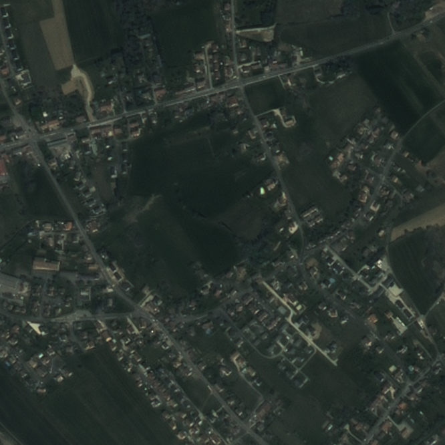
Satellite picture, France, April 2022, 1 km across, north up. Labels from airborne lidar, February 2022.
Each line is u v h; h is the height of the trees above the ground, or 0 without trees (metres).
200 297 8
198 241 0
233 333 12
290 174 0
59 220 0
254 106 0
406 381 0
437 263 0
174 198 0
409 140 0
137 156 0
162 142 0
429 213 0
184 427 0
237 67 0
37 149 0
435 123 0
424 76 0
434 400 0
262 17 13
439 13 0
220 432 0
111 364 0
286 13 0
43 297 0
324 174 0
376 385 0
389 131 0
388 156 0
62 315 0
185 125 0
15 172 0
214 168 0
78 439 0
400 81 0
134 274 0
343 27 0
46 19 0
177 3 10
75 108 7
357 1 19
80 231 0
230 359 0
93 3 0
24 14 0
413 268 0
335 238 0
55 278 11
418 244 0
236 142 0
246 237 0
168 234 0
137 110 0
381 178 0
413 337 0
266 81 0
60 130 0
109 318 0
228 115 13
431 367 6
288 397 0
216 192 0
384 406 0
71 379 0
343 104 0
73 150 0
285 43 0
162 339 0
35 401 0
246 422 0
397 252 0
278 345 0
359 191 0
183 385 0
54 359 0
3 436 0
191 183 0
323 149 0
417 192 0
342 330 0
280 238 0
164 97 0
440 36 0
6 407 0
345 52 0
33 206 0
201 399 0
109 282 0
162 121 0
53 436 0
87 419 0
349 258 0
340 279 0
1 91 0
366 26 0
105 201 0
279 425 0
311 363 0
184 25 0
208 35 0
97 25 0
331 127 0
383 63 0
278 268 0
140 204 0
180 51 0
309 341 0
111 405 0
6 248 0
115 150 0
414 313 0
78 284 10
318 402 0
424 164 16
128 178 0
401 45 0
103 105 0
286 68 0
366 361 0
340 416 6
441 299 0
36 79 0
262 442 0
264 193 0
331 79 0
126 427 0
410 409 0
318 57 0
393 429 0
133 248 0
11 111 0
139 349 8
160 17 0
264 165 0
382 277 0
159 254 0
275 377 0
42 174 0
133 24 9
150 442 0
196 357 7
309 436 0
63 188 0
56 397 0
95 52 0
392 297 0
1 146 0
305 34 0
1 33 0
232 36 0
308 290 0
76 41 0
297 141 0
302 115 0
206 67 0
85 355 0
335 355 0
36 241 0
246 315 0
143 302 0
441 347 0
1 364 0
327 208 0
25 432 0
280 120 0
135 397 0
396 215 0
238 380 0
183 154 0
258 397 0
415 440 6
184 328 0
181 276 0
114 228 0
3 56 0
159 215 0
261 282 0
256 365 0
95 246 0
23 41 0
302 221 0
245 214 0
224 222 0
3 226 0
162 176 0
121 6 16
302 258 0
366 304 0
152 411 0
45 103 9
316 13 0
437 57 0
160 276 0
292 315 0
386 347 0
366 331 0
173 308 0
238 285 0
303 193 0
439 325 0
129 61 16
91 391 0
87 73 0
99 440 0
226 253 0
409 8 20
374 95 0
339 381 0
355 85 0
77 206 0
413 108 0
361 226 0
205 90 0
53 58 0
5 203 0
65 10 0
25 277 11
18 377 0
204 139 0
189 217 0
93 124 0
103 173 0
